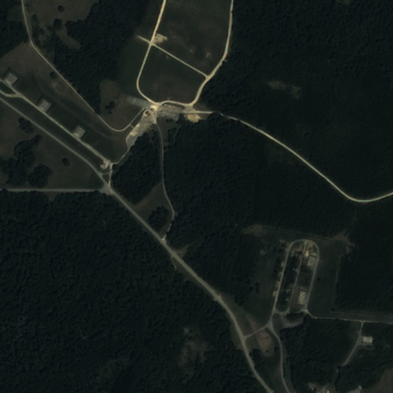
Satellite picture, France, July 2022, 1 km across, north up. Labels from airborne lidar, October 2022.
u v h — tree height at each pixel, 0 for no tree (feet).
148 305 90
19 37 61
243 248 27
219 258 70
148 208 0
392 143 21
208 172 38
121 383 35
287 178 36
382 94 18
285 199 30
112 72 54
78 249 51
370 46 72
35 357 77
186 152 50
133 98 0
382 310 26
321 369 72
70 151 0
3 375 89
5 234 89
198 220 66
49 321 71
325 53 23
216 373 88
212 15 0
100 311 23
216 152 81
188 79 0
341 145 18
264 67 25
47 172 50
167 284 76
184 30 0
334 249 0
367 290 19
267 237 0
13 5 21
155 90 0
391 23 70
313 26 63
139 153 59
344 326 20
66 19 0
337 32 30
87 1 0
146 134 30
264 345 0
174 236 43
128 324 92
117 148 0
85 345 68
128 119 0
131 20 76
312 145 20
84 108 0
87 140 0
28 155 86
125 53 0
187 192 44
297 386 48
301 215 22
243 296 45
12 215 90
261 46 29
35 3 0
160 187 0
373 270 31
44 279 90
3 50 60
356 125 28
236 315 0
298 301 0
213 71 0
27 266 86
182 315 59
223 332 30
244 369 54
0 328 93
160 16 0
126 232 41
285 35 75
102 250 89
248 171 66
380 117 21
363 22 75
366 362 20
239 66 27
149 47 0
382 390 0
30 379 80
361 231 23
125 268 72
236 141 77
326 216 20
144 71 0
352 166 26
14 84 0
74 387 78
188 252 25
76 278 69
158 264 47
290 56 24
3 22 80
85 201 72
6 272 84
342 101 26
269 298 0
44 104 0
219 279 74
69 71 30
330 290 0
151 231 0
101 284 74
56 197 21
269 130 21
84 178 0
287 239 0
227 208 57
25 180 70
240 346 0
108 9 29
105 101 0
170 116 0
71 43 0
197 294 65
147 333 64
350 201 23
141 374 53
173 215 0
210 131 47
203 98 41
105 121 0
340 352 18
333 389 0
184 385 39
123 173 73
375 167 27
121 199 0
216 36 0
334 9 71
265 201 43
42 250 73
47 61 0
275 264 0
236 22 24
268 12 77
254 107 51
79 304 77
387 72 79
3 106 0
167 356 60
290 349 47
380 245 18
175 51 0
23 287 62
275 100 19
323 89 17
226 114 69
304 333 79
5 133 0
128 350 58
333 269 0
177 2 0
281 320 0
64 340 41
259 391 73
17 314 65
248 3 50
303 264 0
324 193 24
